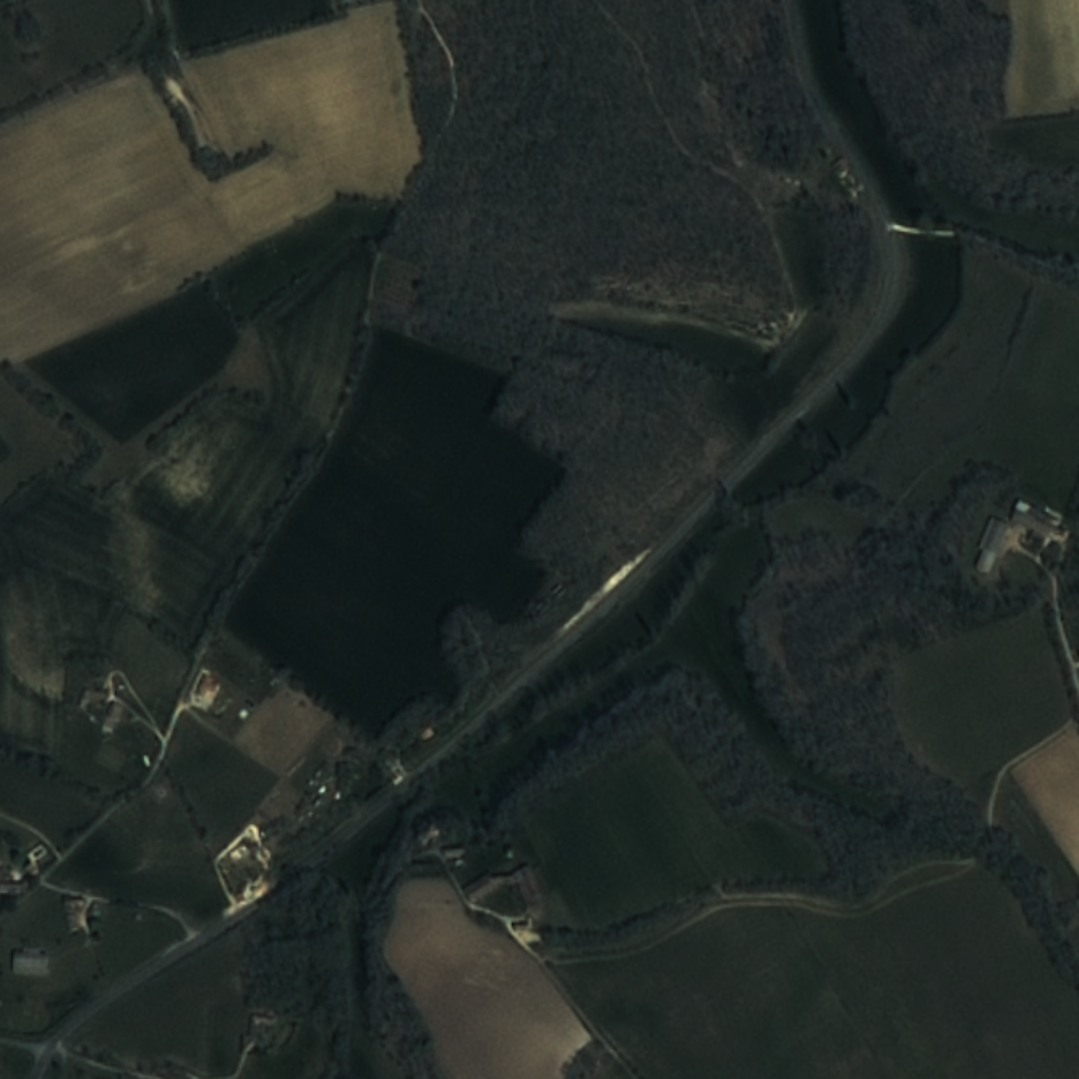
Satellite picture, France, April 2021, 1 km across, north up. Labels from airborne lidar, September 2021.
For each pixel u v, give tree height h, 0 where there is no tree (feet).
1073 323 0
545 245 48
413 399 0
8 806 0
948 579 56
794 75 25
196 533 0
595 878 0
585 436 37
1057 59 0
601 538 49
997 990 0
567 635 0
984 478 52
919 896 0
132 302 0
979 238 43
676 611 96
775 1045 0
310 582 0
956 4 57
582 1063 31
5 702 0
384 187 0
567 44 43
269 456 0
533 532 53
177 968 0
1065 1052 0
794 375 0
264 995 50
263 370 0
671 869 0
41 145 0
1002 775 0
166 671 0
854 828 79
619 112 39
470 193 38
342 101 0
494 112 31
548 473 0
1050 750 0
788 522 0
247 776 0
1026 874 62
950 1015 0
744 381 0
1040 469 0
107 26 0
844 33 46
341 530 0
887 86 61
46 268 0
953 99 54
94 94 0
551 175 39
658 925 31
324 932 49
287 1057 0
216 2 0
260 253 0
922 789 54
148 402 0
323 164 0
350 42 0
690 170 46
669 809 0
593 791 0
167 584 0
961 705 0
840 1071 0
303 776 0
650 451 34
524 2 34
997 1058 0
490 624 46
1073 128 0
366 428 0
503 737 111
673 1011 0
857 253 36
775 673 43
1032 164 0
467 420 0
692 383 25
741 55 50
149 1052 0
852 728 50
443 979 0
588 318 0
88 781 0
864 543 30
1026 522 0
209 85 0
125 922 0
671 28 53
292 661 0
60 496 0
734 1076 0
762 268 30
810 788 0
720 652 0
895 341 0
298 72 0
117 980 0
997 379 0
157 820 0
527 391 50
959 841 69
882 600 55
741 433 0
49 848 18
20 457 0
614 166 41
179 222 0
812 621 40
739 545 0
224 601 28
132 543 0
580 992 0
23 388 47
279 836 47
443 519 0
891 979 0
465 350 40
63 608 0
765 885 30
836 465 48
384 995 49
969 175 64
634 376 40
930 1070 0
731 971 0
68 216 0
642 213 42
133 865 0
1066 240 0
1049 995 0
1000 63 63
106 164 0
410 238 48
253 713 0
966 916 0
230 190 0
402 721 38
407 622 0
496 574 0
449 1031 0
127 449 0
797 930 0
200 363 0
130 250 0
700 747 55
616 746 66
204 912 0
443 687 0
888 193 0
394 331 37
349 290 0
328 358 0
